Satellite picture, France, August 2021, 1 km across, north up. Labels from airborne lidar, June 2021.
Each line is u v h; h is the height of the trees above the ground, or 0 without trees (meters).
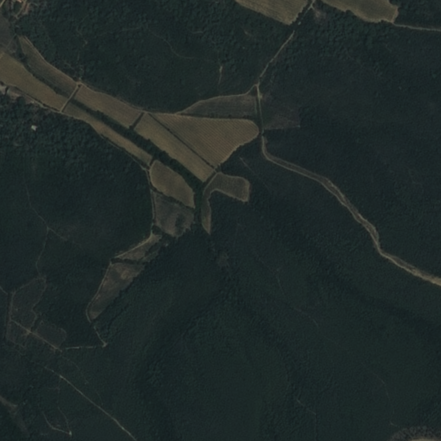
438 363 6
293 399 9
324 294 6
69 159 14
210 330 7
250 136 0
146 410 5
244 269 6
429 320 8
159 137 0
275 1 0
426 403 6
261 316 6
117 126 12
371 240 6
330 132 6
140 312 6
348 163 6
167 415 6
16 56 0
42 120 7
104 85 6
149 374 8
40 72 0
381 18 0
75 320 8
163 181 0
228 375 5
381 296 6
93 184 7
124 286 0
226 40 12
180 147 0
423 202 7
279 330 6
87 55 10
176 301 6
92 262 8
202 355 8
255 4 0
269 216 6
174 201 8
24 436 7
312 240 7
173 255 6
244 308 7
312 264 7
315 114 6
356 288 8
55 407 6
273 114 0
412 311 7
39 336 0
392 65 8
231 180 0
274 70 10
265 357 7
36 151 9
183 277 5
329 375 5
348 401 6
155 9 8
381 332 7
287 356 7
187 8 7
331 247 6
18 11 9
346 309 7
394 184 8
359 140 6
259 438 6
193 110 0
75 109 0
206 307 9
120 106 0
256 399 6
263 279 7
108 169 7
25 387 10
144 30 8
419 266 6
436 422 6
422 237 6
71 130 11
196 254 5
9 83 0
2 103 9
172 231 0
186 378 6
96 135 10
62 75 0
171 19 10
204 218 0
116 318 11
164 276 8
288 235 7
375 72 7
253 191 6
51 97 0
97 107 0
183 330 7
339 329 6
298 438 7
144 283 8
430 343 10
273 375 6
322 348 6
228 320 6
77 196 6
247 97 0
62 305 8
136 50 6
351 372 5
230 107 0
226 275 13
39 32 8
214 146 0
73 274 6
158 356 7
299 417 8
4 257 7
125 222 7
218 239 10
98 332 7
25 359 8
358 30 12
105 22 9
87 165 9
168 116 0
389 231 7
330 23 9
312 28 6
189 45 10
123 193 6
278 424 7
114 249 8
